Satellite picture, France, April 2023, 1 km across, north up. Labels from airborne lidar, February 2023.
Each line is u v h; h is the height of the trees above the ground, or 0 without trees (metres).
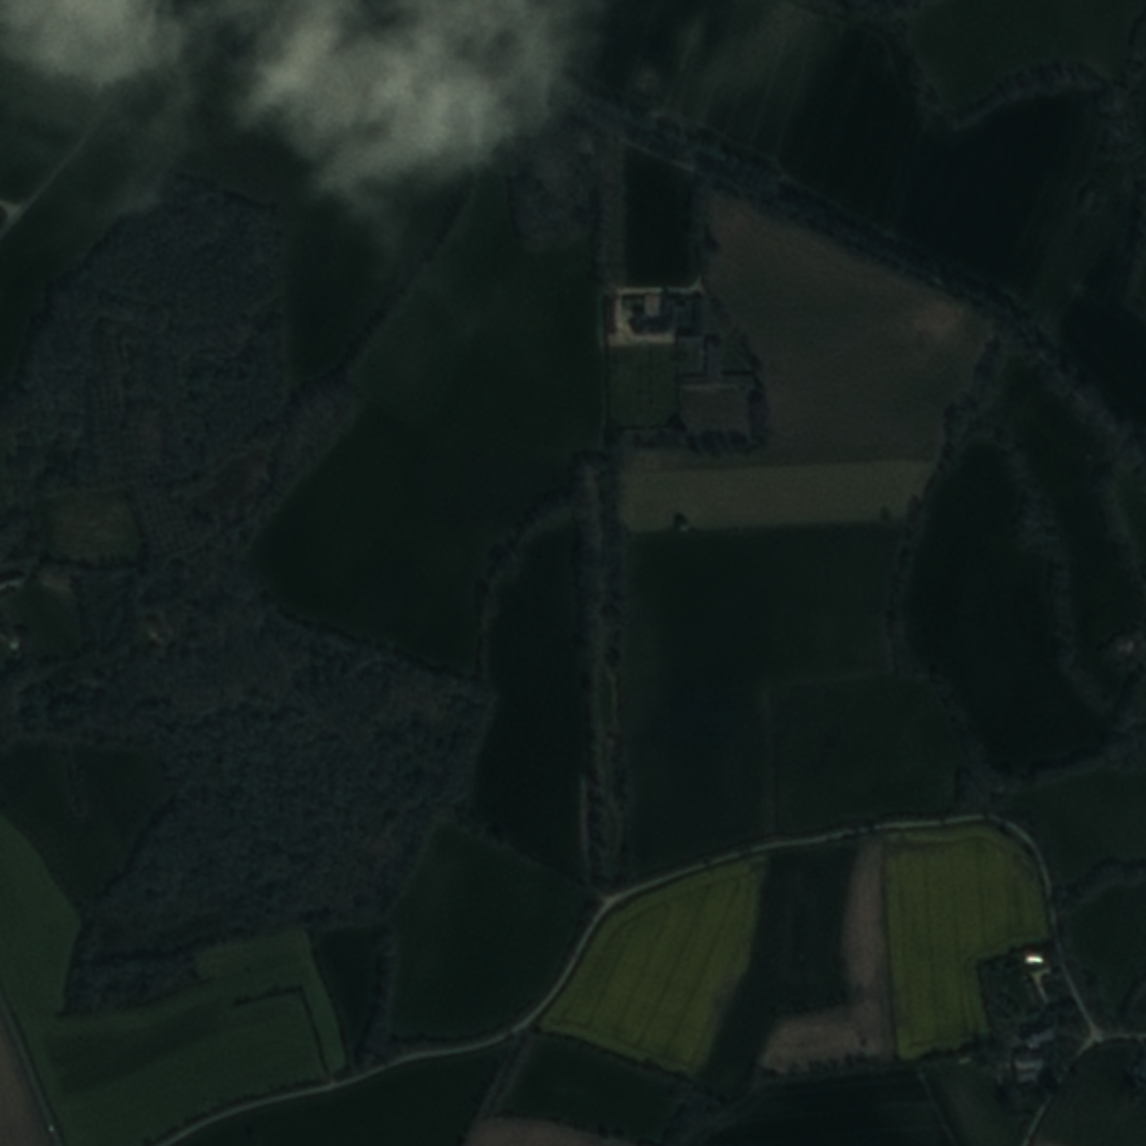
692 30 0
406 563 0
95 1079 0
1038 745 0
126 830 0
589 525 18
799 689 0
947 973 0
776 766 0
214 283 13
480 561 0
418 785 13
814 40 0
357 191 0
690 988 0
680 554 0
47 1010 0
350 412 17
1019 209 0
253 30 0
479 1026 0
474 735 13
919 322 0
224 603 17
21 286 0
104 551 0
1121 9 0
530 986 0
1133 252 12
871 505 0
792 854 0
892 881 0
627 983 0
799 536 0
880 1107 0
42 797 0
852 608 0
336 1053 0
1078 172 0
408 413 0
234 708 5
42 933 0
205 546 8
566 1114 0
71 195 0
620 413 0
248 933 10
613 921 0
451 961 0
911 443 0
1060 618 9
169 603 13
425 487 0
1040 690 0
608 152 25
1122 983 0
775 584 0
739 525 0
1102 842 0
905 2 17
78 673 0
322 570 0
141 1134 0
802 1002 0
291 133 0
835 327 0
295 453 19
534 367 0
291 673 7
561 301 0
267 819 10
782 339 0
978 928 0
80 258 0
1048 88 16
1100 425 20
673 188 0
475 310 0
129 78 0
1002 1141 0
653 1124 0
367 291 0
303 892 11
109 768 0
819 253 0
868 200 0
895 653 7
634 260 0
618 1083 0
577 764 0
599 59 0
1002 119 0
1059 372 18
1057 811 0
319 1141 0
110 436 19
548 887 0
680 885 0
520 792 0
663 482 0
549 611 0
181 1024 0
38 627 0
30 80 0
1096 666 0
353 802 10
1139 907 0
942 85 0
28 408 19
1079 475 0
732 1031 0
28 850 0
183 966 14
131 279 12
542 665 0
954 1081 0
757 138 0
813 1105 0
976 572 0
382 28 0
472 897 0
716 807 0
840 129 0
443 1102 0
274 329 12
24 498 12
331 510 0
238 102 0
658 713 0
